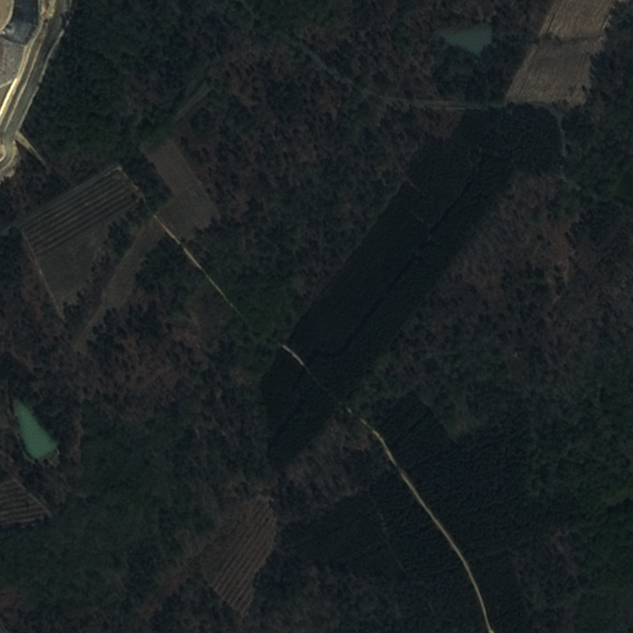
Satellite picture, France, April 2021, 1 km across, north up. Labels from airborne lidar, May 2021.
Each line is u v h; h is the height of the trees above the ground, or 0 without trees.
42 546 19
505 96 23
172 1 16
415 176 16
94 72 21
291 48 14
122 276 0
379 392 17
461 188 13
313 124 7
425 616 21
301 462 16
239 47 10
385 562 10
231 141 23
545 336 26
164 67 17
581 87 0
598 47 0
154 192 20
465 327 20
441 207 14
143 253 0
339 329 7
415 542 20
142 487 23
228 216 10
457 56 18
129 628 20
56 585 23
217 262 12
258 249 14
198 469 16
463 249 18
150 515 17
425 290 17
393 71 13
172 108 8
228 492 15
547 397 14
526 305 25
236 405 24
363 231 19
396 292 18
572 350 14
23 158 0
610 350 14
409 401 17
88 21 19
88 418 15
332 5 14
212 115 11
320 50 16
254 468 21
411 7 22
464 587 22
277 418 10
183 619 13
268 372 10
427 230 9
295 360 8
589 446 10
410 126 6
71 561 23
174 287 8
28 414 0
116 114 20
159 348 8
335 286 7
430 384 14
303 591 14
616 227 24
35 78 0
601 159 14
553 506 17
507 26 9
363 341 17
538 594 8
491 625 17
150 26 19
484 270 7
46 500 7
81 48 11
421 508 13
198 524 16
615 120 19
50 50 0
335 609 7
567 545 17
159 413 15
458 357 15
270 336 16
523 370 7
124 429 9
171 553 18
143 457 17
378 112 14
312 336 8
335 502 12
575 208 14
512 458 15
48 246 0
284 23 21
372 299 9
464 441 16
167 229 0
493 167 17
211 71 0
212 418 9
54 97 14
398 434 20
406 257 10
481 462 18
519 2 9
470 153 12
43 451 0
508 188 15
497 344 8
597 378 17
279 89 21
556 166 14
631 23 13
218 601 22
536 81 0
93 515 18
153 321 13
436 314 19
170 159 0
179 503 23
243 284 17
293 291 20
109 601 19
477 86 22
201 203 0
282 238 17
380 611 12
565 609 7
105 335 21
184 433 14
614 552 18
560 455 12
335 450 18
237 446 21
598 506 16
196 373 9
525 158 17
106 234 0
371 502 10
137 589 25
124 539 18
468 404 14
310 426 19
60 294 0
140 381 10
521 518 20
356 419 12
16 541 23
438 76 18
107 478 16
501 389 13
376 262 9
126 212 0
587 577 18
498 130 19
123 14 19
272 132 6
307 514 27
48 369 10
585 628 16
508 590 14
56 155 15
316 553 11
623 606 15
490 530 17
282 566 22
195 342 0
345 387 18
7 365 12
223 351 13
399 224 10
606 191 23
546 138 22
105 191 0
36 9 0
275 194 11
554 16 0
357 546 10
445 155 16
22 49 0
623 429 16
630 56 14
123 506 17
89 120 16
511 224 11
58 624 7
